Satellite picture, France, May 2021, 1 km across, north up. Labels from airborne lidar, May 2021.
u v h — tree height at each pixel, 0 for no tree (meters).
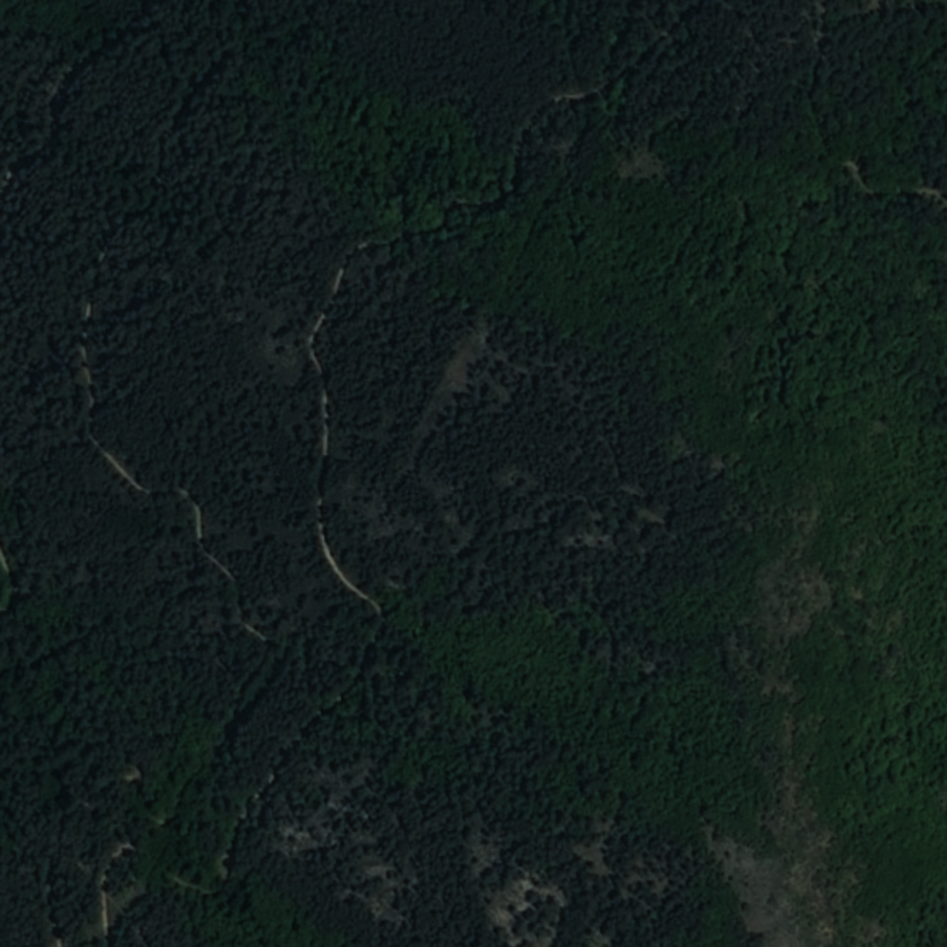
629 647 17
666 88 24
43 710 21
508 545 20
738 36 22
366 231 17
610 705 20
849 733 19
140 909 13
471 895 14
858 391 13
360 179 10
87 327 16
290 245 14
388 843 17
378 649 29
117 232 26
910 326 25
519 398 13
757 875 0
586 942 8
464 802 16
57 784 14
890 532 6
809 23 20
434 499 16
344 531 10
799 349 32
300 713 27
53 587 18
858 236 29
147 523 17
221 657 26
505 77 26
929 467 17
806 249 30
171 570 14
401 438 13
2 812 16
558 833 7
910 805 18
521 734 9
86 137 35
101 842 27
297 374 0
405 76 26
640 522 15
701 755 18
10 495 8
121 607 30
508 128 21
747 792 12
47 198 36
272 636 22
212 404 21
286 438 19
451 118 20
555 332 18
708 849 7
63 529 25
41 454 21
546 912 15
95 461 18
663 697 25
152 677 30
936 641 10
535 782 18
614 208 17
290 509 13
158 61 34
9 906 32
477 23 26
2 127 35
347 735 20
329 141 26
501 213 28
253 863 28
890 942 11
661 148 15
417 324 22
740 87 26
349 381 19
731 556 13
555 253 29
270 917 32
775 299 13
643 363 23
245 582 20
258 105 29
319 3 29
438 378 17
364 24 32
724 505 19
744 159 25
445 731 16
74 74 9
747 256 30
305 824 13
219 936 24
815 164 31
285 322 0
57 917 25
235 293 19
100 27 12
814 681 12
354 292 16
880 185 26
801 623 0
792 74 34
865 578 17
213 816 19
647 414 20
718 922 11
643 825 10
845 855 6
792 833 0
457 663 10
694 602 18
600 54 29
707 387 8
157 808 35
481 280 19
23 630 32
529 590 8
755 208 25
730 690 8
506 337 21
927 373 29
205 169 28
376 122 36
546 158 16
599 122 18
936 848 10
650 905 10
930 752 17
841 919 10
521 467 8
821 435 16
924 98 26
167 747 29
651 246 11
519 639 10
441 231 25
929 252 19
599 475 11
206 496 24
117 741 31
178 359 20
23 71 29
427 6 27
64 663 32
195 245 29
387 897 0
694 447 10
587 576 17
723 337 6
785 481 6
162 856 21
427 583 18
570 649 9
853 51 24
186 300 18
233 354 18
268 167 18
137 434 19
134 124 29
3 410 30
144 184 34
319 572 13
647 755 24
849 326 17
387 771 10
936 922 25
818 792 8
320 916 27
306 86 29
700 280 20
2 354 31
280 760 19
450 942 18
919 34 40
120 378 15
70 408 30
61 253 31
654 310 12
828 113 35
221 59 28
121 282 23
